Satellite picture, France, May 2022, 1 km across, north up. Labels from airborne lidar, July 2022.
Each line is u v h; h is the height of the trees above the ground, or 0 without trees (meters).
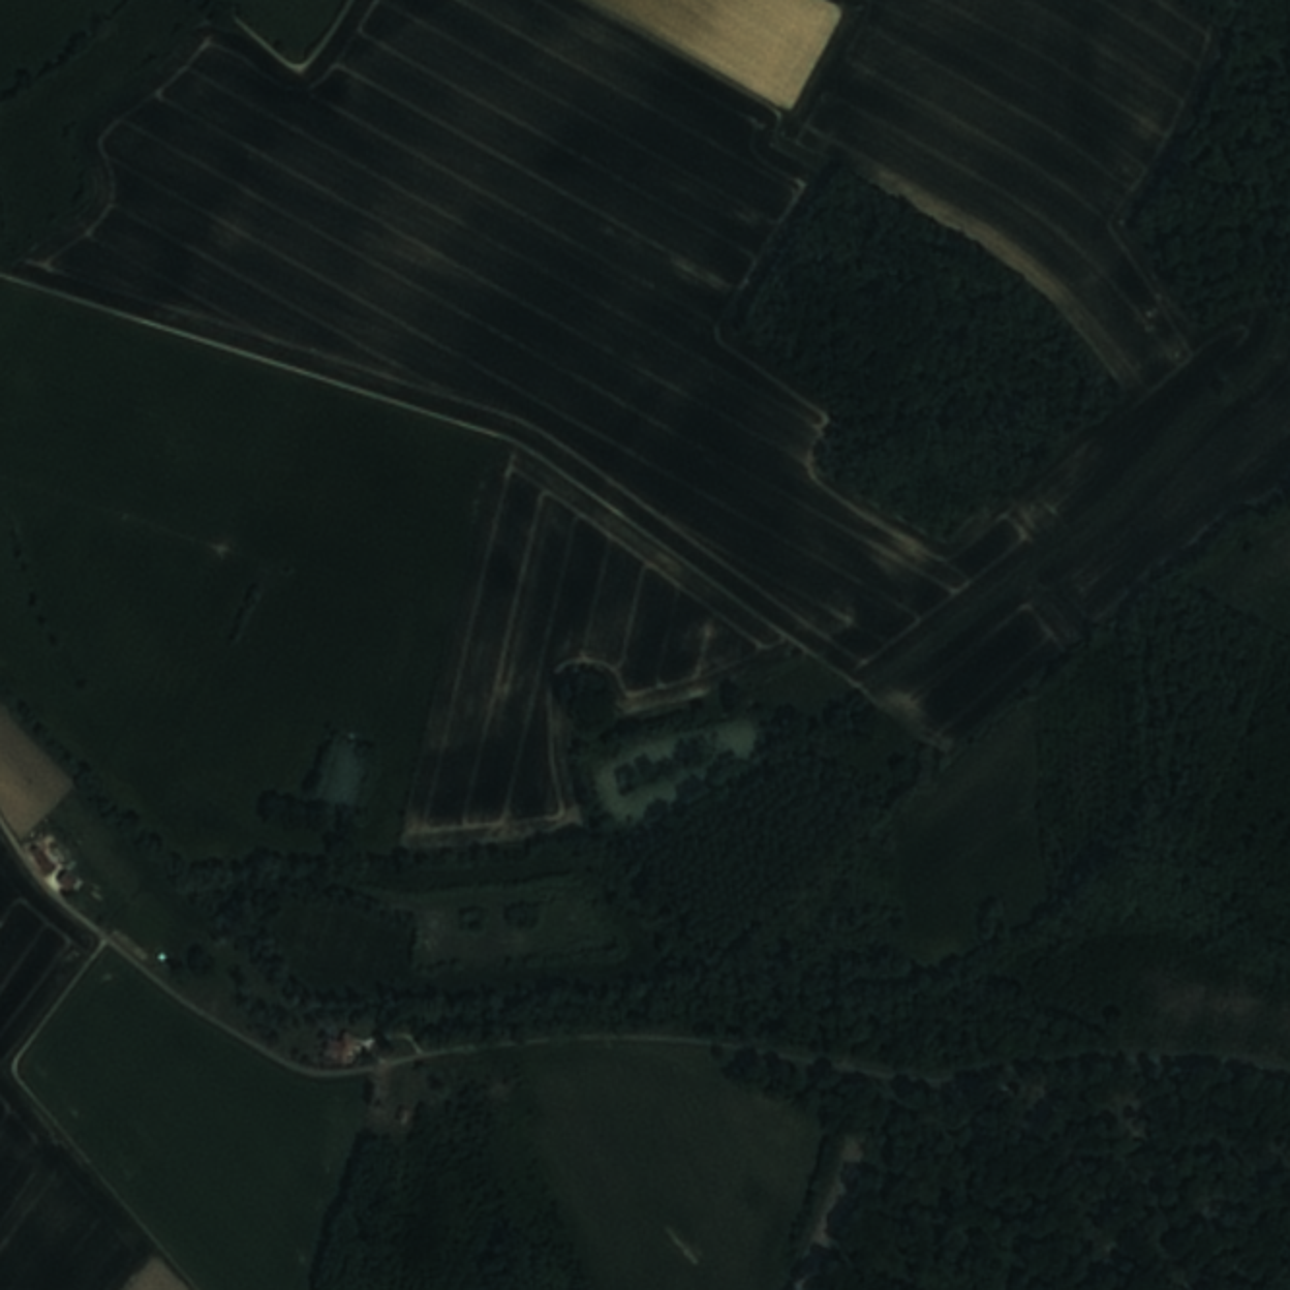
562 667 0
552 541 0
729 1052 14
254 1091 0
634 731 18
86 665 0
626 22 0
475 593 0
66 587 0
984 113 0
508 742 0
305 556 0
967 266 29
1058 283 0
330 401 0
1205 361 0
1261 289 11
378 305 0
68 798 0
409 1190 7
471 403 0
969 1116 22
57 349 0
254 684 0
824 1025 18
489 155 0
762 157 0
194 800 0
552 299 0
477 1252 9
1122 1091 24
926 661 0
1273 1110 24
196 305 0
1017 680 0
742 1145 0
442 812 0
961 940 0
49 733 10
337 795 0
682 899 26
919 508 20
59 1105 0
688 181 0
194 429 0
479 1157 7
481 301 0
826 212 23
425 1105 7
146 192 0
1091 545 0
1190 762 15
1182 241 27
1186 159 23
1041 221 0
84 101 0
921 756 10
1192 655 18
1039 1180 24
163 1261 0
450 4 0
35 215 0
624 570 0
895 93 0
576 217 0
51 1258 0
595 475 0
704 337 0
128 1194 0
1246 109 26
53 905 0
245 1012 9
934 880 0
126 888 0
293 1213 0
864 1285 21
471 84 0
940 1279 24
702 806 23
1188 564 21
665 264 0
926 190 0
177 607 0
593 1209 0
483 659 0
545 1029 23
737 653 0
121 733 0
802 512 0
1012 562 0
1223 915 21
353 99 0
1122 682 6
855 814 25
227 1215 0
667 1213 0
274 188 0
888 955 22
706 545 0
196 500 0
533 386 0
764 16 0
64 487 0
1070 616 0
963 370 19
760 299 18
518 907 8
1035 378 19
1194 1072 21
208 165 0
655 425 0
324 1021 16
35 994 0
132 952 0
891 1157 28
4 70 0
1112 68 0
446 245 0
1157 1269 24
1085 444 0
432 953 0
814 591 0
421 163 0
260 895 16
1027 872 0
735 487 0
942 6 0
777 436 0
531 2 0
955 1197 23
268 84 0
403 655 0
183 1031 0
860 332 28
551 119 0
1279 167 28
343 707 0
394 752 0
